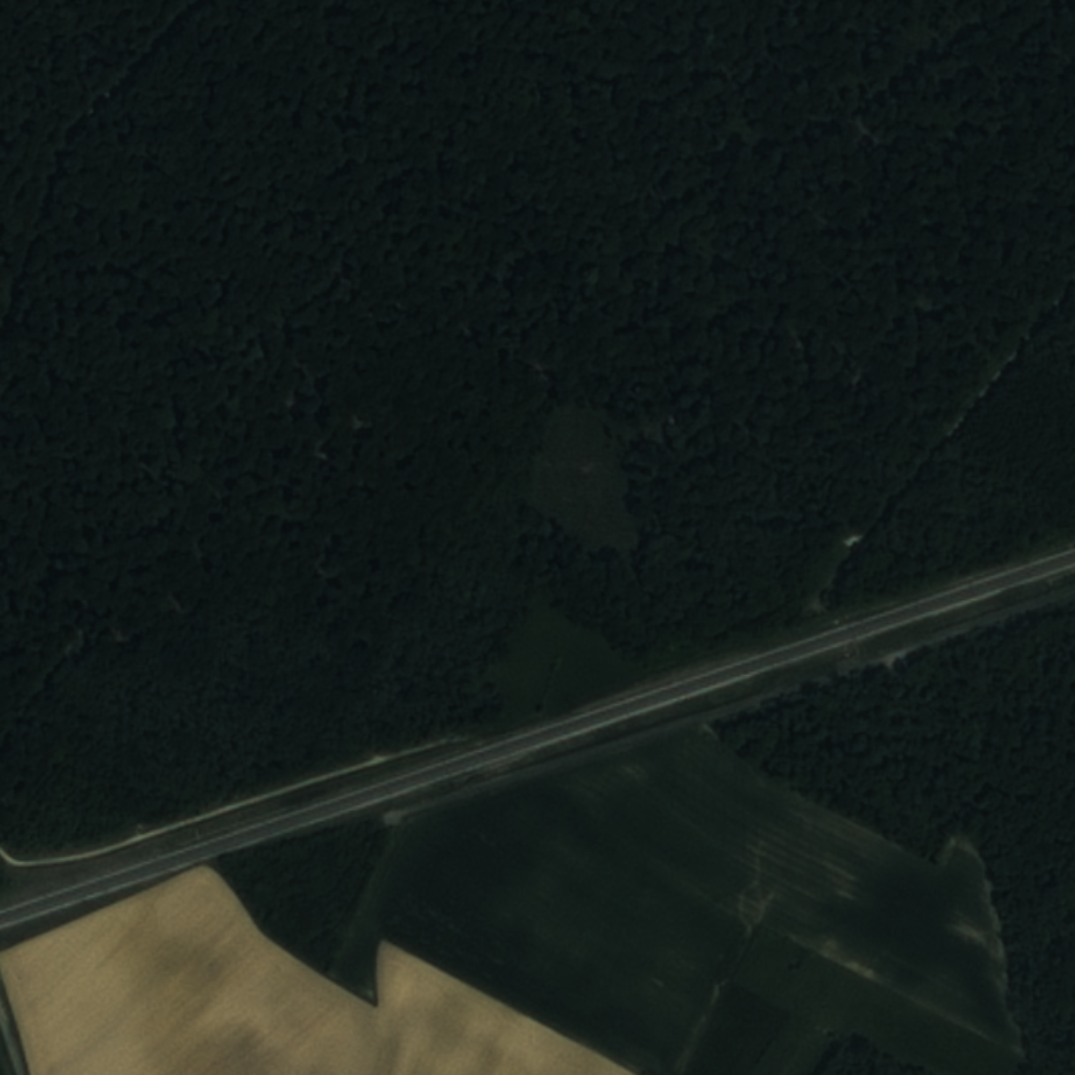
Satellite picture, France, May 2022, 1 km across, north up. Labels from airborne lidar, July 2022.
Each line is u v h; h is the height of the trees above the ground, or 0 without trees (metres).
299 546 22
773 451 29
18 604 26
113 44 22
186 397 28
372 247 25
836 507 21
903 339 22
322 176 26
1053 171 20
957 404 16
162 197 30
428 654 20
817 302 28
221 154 29
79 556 30
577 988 0
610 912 0
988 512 21
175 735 28
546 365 25
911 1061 0
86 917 0
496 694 14
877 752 29
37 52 22
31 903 0
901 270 26
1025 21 25
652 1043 0
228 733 27
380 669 22
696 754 0
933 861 12
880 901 0
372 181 26
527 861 0
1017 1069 0
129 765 23
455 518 22
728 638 13
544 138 26
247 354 26
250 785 7
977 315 30
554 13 24
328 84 28
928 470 14
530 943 0
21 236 28
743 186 28
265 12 28
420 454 24
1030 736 18
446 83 28
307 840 6
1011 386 16
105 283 29
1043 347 21
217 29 26
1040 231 23
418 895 0
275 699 23
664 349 24
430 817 0
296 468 24
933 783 19
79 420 27
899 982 0
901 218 27
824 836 0
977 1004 0
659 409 31
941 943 0
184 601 27
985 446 17
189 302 30
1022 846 26
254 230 28
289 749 30
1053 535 12
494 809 0
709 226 27
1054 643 8
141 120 24
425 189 26
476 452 26
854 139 27
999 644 21
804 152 26
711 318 8
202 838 0
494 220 24
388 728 22
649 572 23
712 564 19
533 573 20
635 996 0
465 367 27
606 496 0
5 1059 0
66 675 15
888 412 23
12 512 29
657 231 28
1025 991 20
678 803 0
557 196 28
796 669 0
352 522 26
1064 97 20
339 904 7
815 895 0
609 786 0
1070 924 22
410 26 26
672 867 0
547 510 0
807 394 23
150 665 22
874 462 22
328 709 27
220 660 24
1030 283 19
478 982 0
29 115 28
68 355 28
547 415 23
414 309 22
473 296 26
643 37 24
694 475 25
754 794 0
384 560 24
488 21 25
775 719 17
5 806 17
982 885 0
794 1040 0
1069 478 14
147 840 0
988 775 21
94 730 20
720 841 0
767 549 21
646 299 25
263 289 30
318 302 24
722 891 0
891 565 19
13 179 30
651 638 20
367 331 26
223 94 27
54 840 7
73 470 26
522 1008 0
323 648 25
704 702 0
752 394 23
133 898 0
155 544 26
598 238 28
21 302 24
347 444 24
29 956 0
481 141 29
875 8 22
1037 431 17
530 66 28
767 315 27
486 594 24
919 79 27
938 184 20
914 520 20
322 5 26
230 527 22
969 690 19
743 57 22
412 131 31
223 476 24
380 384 25
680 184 27
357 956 0
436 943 0
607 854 0
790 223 31
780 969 0
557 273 26
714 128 24
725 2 22
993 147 29
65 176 25
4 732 19
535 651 0
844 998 0
